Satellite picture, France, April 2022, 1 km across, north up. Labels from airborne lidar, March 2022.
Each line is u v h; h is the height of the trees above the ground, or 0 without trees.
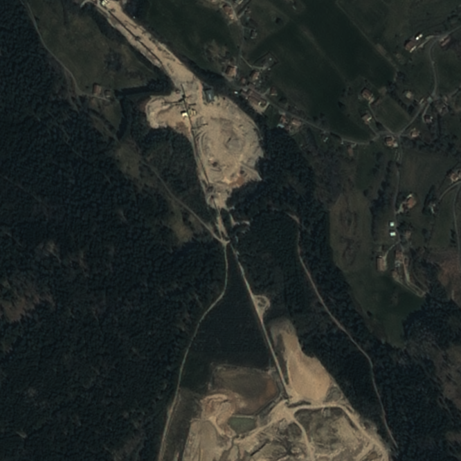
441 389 17
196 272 34
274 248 19
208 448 0
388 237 0
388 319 0
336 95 0
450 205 0
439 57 0
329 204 15
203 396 0
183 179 8
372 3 0
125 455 17
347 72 0
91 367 21
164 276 38
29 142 16
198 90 0
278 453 0
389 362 33
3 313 17
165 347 26
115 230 29
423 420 28
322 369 0
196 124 0
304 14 0
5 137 19
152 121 0
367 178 0
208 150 0
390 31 0
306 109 0
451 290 0
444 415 25
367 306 0
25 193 18
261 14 0
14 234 23
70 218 14
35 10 0
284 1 0
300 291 19
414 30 0
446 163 0
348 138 0
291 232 19
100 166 9
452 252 0
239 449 0
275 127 0
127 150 0
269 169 26
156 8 0
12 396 23
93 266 12
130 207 34
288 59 0
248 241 10
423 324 28
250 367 0
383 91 0
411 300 0
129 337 22
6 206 12
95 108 0
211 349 6
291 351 0
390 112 0
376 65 0
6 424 23
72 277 25
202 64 0
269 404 0
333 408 0
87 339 27
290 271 11
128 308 30
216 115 0
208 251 27
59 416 32
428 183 0
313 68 0
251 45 0
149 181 0
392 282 0
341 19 0
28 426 25
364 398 21
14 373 25
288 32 0
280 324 0
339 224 0
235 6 0
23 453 25
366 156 0
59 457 33
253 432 0
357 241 0
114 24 0
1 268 10
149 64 23
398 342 0
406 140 10
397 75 0
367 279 0
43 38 0
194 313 26
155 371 24
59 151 25
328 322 15
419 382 24
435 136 14
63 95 25
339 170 15
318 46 0
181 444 0
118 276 30
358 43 0
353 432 0
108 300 21
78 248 9
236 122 0
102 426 30
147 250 32
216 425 0
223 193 0
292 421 0
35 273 21
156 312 22
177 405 0
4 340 23
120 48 0
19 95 27
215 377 0
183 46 0
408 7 0
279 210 12
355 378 18
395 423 28
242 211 13
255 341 6
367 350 7
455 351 0
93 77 0
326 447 0
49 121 30
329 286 33
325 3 0
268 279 13
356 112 0
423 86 0
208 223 8
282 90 0
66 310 28
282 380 0
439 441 22
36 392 28
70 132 38
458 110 0
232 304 7
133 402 24
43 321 24
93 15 16
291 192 32
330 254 26
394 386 30
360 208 0
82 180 23
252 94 0
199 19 0
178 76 0
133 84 0
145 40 0
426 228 0
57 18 0
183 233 0
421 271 19
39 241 16
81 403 24
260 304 0
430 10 0
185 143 21
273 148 29
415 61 0
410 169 0
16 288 24
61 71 25
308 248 18
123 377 28
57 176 16
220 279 8
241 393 0
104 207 28
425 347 27
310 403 0
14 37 28
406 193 0
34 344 28
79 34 0
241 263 16
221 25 0
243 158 0
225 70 9
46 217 14
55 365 22
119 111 0
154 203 7
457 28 0
